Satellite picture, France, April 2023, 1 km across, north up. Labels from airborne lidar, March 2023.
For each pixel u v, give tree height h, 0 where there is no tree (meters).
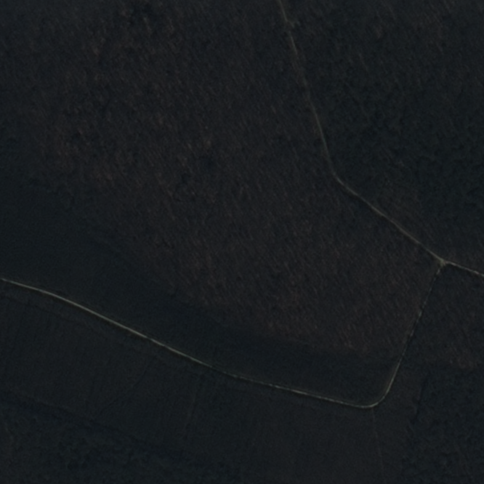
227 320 23
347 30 24
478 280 26
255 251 26
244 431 18
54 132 21
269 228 23
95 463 24
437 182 22
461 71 26
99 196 24
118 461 22
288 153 27
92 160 25
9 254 13
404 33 31
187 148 23
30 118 24
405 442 14
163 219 21
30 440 26
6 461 29
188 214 23
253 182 20
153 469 24
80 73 27
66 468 27
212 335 14
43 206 11
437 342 26
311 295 27
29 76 24
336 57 23
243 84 24
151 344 14
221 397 11
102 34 27
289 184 27
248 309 23
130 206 23
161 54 23
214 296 25
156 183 21
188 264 24
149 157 25
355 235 26
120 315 12
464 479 22
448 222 25
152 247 25
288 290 25
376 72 27
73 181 24
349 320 27
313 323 24
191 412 15
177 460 22
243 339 15
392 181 16
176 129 23
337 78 27
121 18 23
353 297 26
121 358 13
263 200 25
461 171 26
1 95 14
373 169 24
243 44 17
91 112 27
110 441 25
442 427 25
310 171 26
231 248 25
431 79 28
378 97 29
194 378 15
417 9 30
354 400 10
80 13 22
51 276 12
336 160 23
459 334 20
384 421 14
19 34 22
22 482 24
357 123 29
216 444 17
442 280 24
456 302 22
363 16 27
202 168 20
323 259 26
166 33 22
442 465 21
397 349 22
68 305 9
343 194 25
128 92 26
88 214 19
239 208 26
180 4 25
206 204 23
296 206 24
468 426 23
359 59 27
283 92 26
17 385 15
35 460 27
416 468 20
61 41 21
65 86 23
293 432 13
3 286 12
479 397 21
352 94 25
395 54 26
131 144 22
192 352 10
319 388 8
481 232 27
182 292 22
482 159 17
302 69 19
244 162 22
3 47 25
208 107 19
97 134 26
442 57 28
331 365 13
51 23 24
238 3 23
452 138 29
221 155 20
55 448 23
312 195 26
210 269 25
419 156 24
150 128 18
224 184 23
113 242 20
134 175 19
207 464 18
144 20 28
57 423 22
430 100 25
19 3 22
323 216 28
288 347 9
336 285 24
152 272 23
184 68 25
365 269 26
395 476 15
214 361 8
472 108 25
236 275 28
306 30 17
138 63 26
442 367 20
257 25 22
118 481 28
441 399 23
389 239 25
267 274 24
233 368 10
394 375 0
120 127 29
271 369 12
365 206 24
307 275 28
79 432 25
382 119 29
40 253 12
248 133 24
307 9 25
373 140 27
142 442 16
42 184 28
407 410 14
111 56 26
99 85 19
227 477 27
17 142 15
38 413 27
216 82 24
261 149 25
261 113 26
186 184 21
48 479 20
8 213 12
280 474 15
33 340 14
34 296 13
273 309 23
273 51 22
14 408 26
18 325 13
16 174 15
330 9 24
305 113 26
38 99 21
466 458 23
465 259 24
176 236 21
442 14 30
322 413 13
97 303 10
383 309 22
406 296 25
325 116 22
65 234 9
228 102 24
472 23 23
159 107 24
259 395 15
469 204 18
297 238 26
